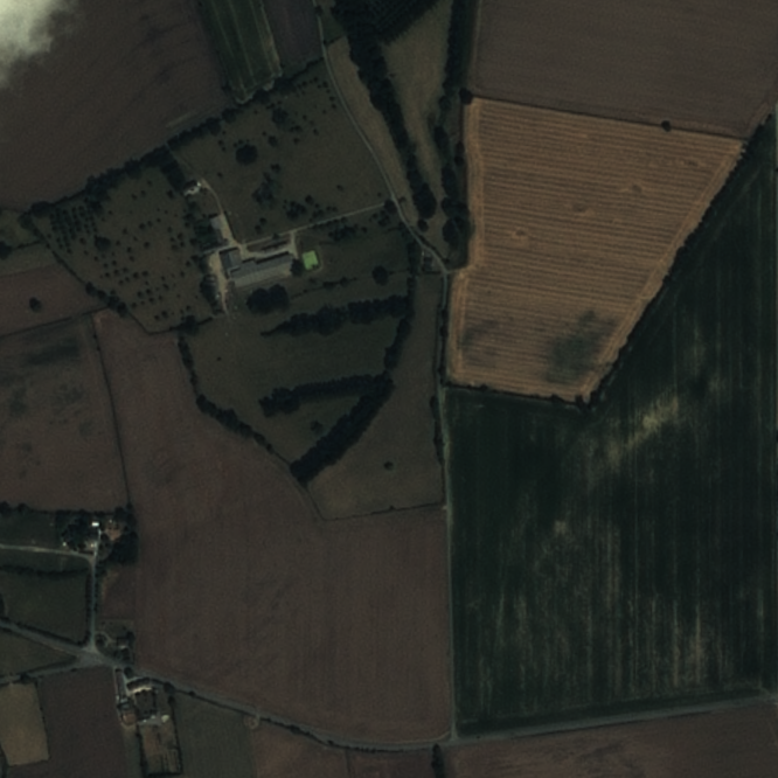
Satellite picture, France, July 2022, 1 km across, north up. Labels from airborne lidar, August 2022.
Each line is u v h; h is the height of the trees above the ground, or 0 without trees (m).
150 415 0
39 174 0
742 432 0
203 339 0
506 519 0
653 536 0
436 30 0
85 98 0
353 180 0
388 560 0
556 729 0
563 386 0
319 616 0
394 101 11
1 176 0
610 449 0
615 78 0
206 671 0
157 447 0
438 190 0
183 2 0
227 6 0
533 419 0
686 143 0
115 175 18
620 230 0
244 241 0
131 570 0
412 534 0
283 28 0
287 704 0
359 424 18
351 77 0
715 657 0
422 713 0
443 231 0
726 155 0
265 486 0
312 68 9
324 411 0
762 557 0
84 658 0
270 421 0
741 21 0
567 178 0
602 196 0
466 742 0
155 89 0
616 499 0
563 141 0
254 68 0
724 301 0
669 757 0
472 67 0
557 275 0
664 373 0
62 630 0
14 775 0
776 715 0
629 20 0
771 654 0
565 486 0
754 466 0
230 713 0
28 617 0
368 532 0
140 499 0
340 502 0
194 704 0
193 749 0
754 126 0
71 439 0
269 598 0
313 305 0
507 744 0
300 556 0
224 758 0
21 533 0
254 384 0
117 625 0
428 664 0
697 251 0
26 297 0
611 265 0
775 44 0
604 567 0
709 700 0
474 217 0
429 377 0
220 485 0
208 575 0
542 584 0
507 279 0
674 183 0
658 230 0
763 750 0
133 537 16
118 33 0
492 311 0
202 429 0
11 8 0
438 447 8
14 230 0
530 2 0
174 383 0
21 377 0
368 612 0
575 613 0
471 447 0
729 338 0
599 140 0
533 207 0
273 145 12
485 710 0
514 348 0
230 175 0
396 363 14
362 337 0
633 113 0
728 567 0
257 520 0
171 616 0
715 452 0
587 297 0
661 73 0
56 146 0
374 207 0
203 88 0
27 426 0
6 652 0
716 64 0
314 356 0
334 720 0
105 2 0
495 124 0
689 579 0
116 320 0
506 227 0
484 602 0
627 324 0
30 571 8
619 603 0
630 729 0
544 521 0
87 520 10
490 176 0
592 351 0
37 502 0
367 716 0
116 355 0
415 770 0
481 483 0
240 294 0
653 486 0
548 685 0
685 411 0
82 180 0
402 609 0
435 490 0
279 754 0
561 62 0
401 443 0
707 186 0
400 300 18
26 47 0
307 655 0
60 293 0
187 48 0
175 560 0
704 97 0
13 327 0
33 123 0
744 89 0
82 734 0
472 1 0
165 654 0
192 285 0
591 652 0
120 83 0
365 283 0
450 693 0
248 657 0
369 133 0
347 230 12
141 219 0
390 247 0
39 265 0
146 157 9
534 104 0
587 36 0
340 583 0
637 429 0
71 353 0
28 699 0
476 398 0
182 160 0
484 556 0
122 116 0
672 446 0
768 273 0
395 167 0
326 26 0
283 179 0
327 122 0
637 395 0
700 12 0
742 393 0
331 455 20
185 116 0
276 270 0
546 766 0
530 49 0
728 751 0
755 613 0
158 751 0
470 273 0
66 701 0
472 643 0
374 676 0
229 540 0
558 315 0
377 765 0
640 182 0
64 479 0
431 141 0
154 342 0
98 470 0
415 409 0
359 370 0
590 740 0
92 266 0
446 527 0
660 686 0
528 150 0
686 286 0
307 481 10
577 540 0
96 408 0
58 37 0
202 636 0
